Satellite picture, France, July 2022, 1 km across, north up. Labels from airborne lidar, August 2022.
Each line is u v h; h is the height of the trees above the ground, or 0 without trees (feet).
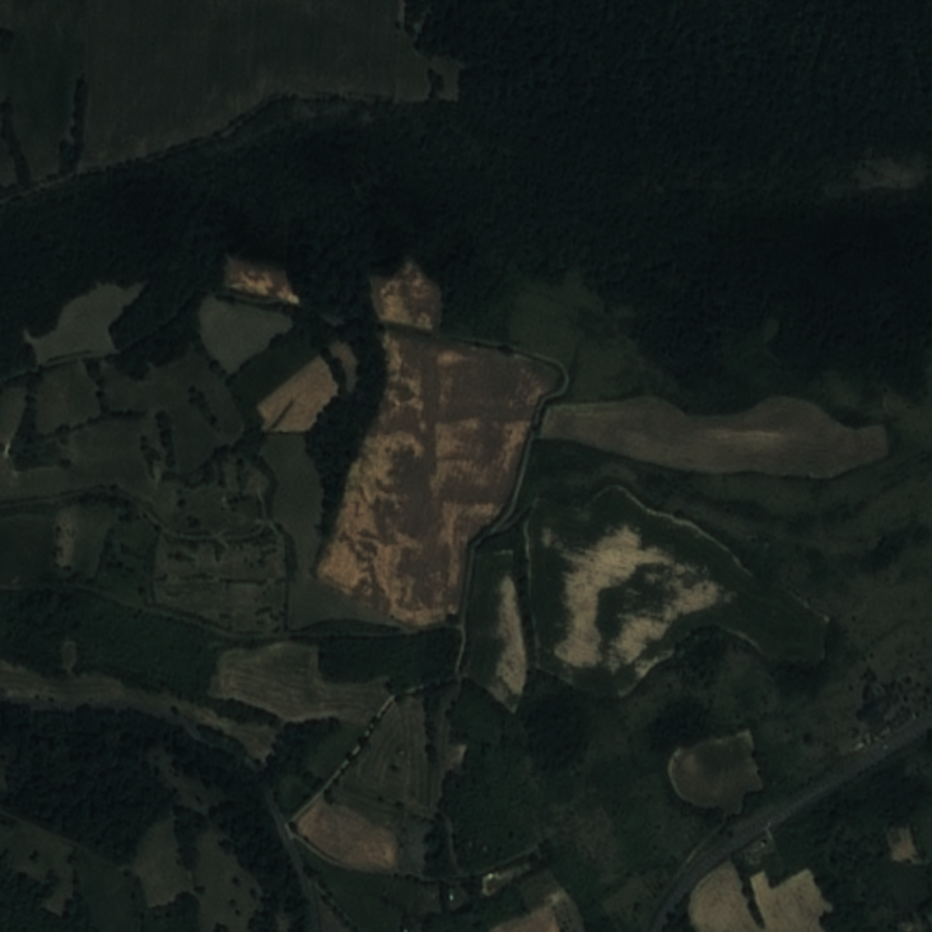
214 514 0
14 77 0
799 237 37
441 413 0
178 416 0
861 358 22
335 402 45
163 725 48
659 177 26
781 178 25
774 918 0
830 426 0
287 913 57
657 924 0
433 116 28
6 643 28
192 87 0
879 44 36
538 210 46
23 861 0
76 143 25
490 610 0
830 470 0
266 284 0
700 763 0
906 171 0
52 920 37
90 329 0
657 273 54
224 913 0
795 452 0
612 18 33
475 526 0
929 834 0
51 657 38
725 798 0
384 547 0
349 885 0
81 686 0
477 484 0
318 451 54
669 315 25
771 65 47
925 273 49
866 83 33
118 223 52
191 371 0
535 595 0
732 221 38
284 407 0
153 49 0
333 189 67
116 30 0
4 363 43
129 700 0
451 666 27
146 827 35
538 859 23
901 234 36
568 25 26
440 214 46
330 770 0
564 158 31
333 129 35
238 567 0
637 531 0
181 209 67
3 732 77
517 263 24
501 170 37
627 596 0
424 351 0
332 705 0
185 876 0
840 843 26
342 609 0
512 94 49
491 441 0
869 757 0
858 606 0
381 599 0
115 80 0
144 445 21
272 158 67
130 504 24
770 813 0
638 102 37
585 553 0
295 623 0
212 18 0
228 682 0
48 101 0
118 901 0
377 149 51
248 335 0
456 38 51
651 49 39
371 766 0
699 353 34
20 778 35
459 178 38
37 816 41
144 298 41
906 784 36
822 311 39
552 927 0
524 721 23
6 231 55
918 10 34
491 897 24
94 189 39
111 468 0
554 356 0
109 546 35
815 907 0
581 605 0
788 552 0
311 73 0
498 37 32
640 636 0
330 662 25
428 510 0
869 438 0
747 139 30
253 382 0
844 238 44
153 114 0
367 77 0
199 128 0
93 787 60
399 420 0
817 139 39
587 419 0
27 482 0
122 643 20
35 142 0
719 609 0
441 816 34
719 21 31
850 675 0
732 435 0
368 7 0
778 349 37
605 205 26
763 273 53
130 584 0
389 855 0
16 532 0
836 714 0
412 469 0
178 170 29
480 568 0
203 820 58
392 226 18
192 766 57
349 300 72
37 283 48
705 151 45
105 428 0
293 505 0
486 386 0
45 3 0
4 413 0
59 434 29
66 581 28
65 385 0
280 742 58
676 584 0
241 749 49
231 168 64
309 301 52
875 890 20
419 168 32
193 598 0
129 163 27
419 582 0
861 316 42
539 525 0
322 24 0
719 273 47
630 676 0
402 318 0
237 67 0
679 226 59
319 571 0
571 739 33
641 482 26
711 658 29
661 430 0
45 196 31
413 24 20
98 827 25
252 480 0
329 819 0
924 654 0
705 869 0
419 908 0
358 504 0
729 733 27
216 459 31
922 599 0
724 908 0
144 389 0
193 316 25
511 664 0
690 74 24
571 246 37
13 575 0
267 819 51
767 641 0
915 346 22
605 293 38
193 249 61
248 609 0
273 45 0
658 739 25
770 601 0
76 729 55
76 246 32
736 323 46
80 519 0
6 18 0
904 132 28
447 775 21
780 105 35
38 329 48
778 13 44
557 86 40
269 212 68
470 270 51
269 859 58
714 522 0
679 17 41
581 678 0
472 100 37
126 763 59
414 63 0
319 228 56
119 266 42
